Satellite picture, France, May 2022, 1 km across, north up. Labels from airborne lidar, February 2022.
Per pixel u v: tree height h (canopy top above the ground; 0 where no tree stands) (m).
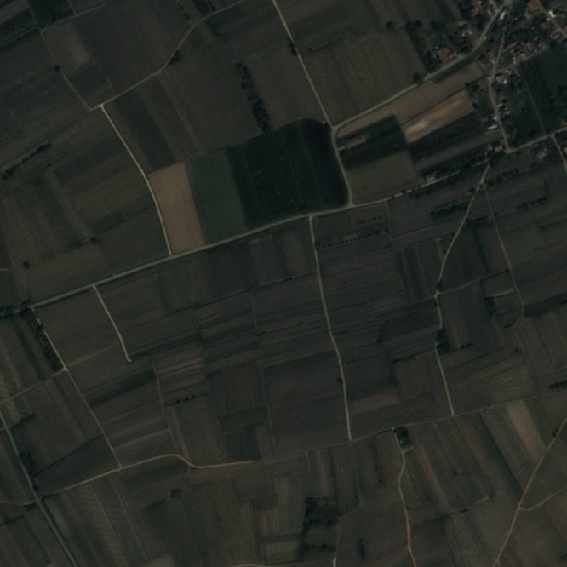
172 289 0
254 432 0
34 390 0
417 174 0
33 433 0
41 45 0
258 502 0
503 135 0
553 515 0
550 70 0
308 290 0
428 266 0
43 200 0
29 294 0
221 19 0
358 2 0
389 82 0
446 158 0
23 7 0
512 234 0
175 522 0
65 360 0
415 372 0
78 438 0
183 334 0
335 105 0
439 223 0
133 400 0
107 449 0
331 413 0
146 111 0
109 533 0
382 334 0
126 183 0
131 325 0
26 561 0
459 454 0
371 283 0
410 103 0
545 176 0
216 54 0
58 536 0
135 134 0
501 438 0
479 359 0
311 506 9
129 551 0
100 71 0
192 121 0
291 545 0
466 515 0
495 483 0
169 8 0
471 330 0
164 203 0
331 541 0
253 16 0
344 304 0
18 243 0
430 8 0
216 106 0
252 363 0
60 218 0
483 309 0
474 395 0
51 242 0
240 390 0
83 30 0
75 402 0
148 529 0
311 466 0
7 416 0
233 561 0
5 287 0
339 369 0
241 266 0
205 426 0
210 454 0
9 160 0
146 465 0
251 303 0
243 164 0
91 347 0
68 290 0
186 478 0
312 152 0
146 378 0
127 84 0
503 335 0
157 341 0
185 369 0
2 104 0
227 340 0
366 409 0
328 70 0
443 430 0
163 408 0
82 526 0
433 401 0
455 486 0
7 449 0
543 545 0
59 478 0
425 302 0
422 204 0
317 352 0
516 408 0
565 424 0
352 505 0
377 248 0
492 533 0
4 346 0
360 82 0
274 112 0
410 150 0
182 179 0
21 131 0
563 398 0
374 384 0
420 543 0
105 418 0
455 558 0
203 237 0
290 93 0
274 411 0
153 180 0
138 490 0
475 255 0
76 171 0
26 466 9
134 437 0
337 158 0
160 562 0
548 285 0
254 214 0
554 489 0
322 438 0
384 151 0
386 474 0
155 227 0
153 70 0
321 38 0
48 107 0
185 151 0
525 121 0
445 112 0
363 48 0
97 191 0
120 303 0
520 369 0
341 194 0
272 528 0
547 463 0
